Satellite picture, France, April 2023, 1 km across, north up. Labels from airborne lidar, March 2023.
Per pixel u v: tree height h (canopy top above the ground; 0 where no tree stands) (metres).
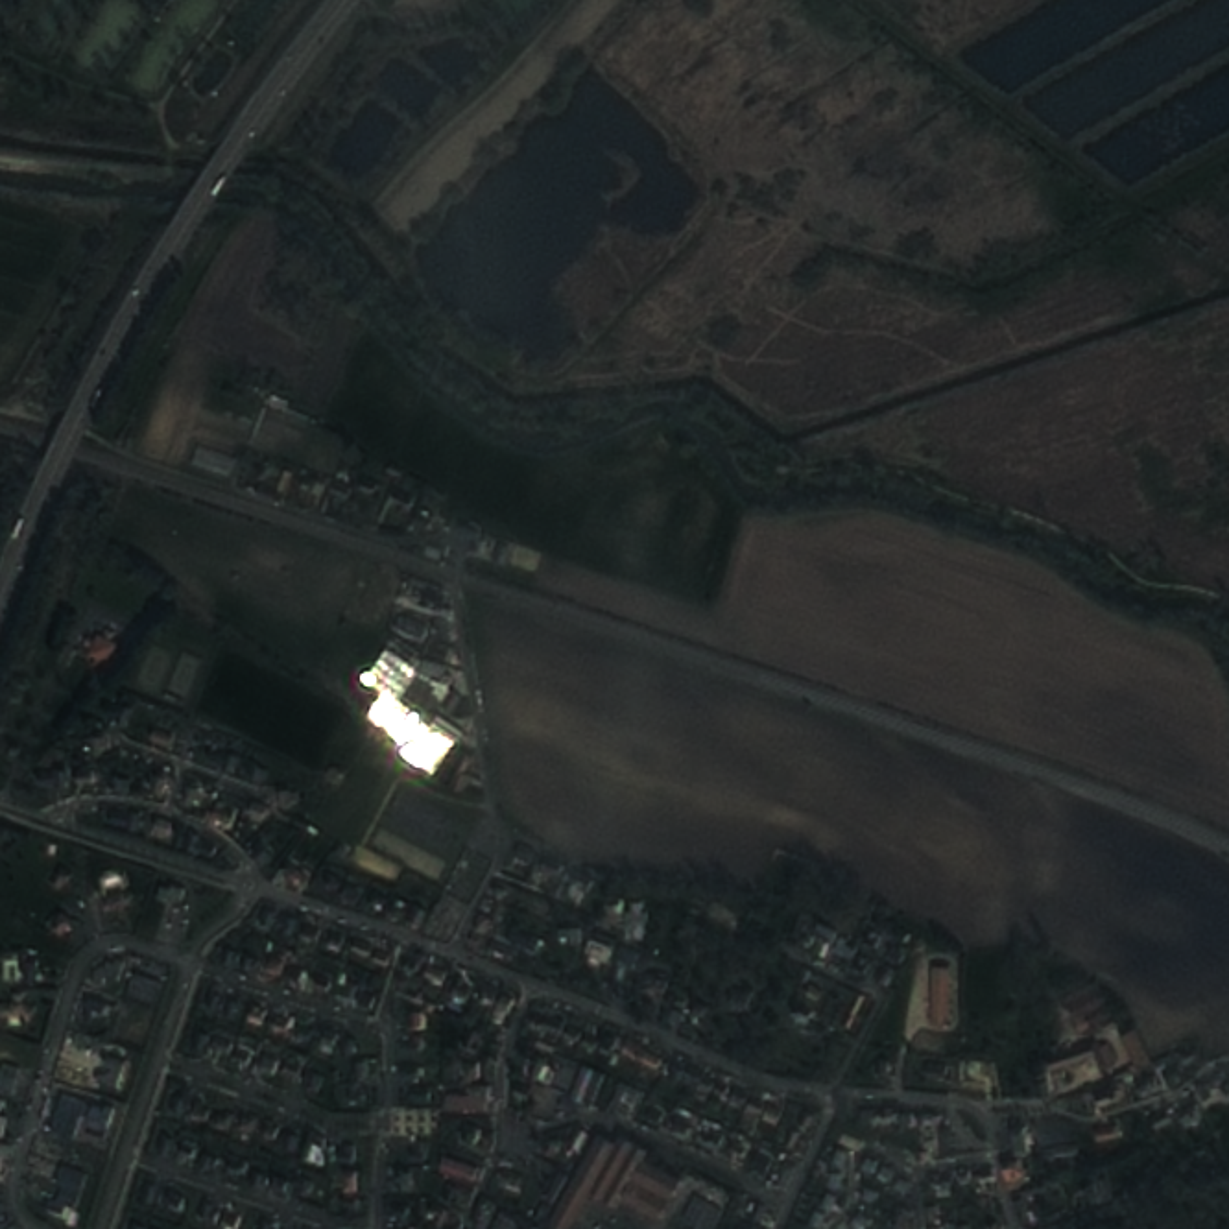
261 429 0
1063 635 0
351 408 0
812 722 0
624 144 0
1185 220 0
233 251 0
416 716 0
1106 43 0
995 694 0
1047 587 0
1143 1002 0
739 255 0
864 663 0
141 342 16
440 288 0
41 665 0
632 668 0
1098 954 0
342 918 0
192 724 0
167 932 0
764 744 0
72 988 0
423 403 0
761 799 0
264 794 0
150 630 16
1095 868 0
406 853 0
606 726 0
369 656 0
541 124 0
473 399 11
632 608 0
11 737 0
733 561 0
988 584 0
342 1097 0
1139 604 19
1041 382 0
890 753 0
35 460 16
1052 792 0
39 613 15
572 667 0
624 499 0
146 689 0
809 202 0
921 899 0
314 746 0
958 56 0
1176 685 0
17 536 0
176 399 0
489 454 0
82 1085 0
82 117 0
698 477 0
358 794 0
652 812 0
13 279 0
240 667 0
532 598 0
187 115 0
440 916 0
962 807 0
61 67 0
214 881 0
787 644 0
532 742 0
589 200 0
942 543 0
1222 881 0
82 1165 0
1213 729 0
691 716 0
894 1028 0
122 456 0
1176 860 0
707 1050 11
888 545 0
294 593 0
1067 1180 10
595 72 0
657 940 12
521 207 0
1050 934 0
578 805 0
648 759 0
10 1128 0
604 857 0
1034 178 0
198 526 0
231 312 0
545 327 0
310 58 0
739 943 8
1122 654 0
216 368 0
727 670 0
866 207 0
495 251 0
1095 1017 0
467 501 0
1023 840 0
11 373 0
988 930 0
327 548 0
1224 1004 0
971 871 0
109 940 0
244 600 0
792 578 0
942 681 0
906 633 0
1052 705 0
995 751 0
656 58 0
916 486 7
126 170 0
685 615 0
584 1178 0
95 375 0
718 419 9
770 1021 12
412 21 0
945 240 0
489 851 0
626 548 0
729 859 0
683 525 0
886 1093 0
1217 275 0
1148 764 0
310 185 6
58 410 0
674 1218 0
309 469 0
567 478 0
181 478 0
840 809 0
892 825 0
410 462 0
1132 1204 15
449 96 10
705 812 0
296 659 0
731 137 0
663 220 0
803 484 16
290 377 0
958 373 0
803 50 0
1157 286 0
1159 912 0
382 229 13
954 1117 0
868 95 0
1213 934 0
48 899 0
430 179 0
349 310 13
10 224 0
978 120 6
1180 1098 0
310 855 0
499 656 0
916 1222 0
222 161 0
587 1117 0
